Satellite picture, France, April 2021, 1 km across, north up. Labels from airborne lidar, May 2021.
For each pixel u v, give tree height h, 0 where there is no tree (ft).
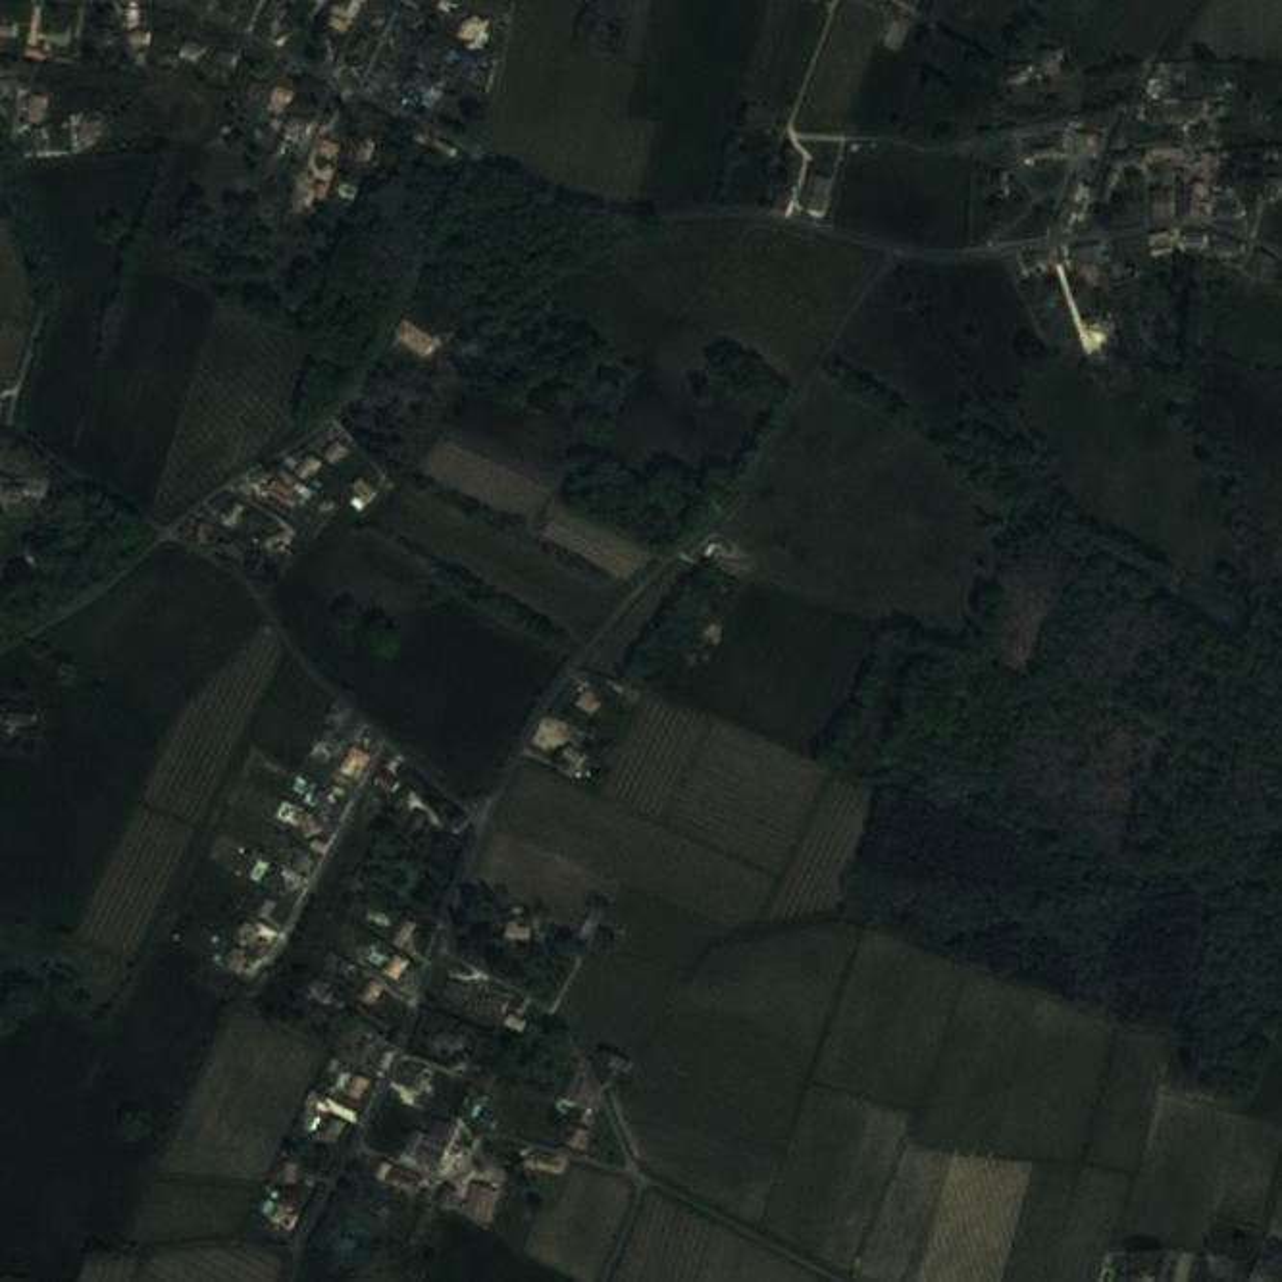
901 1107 0
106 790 0
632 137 0
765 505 0
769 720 0
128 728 0
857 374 39
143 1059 0
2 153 34
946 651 55
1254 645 74
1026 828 37
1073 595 48
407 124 31
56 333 0
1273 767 53
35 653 24
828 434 0
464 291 46
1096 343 0
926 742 39
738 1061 0
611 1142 28
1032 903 23
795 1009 0
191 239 47
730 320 0
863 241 0
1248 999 60
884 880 52
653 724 0
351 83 0
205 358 0
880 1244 0
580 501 61
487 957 30
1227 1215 0
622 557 0
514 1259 0
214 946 0
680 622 56
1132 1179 0
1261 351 0
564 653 27
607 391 55
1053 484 25
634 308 0
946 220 0
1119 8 0
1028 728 54
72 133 0
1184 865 67
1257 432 0
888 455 0
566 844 0
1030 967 25
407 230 62
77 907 0
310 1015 34
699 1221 0
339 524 0
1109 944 32
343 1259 31
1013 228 0
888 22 0
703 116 0
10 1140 0
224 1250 0
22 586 68
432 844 30
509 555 0
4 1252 0
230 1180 0
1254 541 50
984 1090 0
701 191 0
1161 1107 0
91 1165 0
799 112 0
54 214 0
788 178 38
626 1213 0
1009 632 33
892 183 0
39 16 0
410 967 20
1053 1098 0
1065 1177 0
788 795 0
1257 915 79
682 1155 0
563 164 0
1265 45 0
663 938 0
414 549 37
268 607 0
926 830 43
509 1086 17
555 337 48
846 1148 0
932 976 0
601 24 48
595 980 0
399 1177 0
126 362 0
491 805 0
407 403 26
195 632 0
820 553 0
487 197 64
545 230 71
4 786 0
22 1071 0
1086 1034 0
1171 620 54
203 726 0
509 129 0
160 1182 0
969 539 0
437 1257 36
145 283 0
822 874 0
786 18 0
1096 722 47
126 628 0
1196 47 0
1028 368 57
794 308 0
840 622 0
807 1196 0
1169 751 37
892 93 0
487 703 0
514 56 0
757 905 0
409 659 0
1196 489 0
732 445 0
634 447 0
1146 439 0
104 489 26
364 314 61
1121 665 48
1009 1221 0
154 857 0
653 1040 0
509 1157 20
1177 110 0
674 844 0
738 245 0
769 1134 0
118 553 50
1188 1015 40
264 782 0
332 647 0
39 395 0
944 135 34
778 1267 0
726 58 0
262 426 0
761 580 0
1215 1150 0
